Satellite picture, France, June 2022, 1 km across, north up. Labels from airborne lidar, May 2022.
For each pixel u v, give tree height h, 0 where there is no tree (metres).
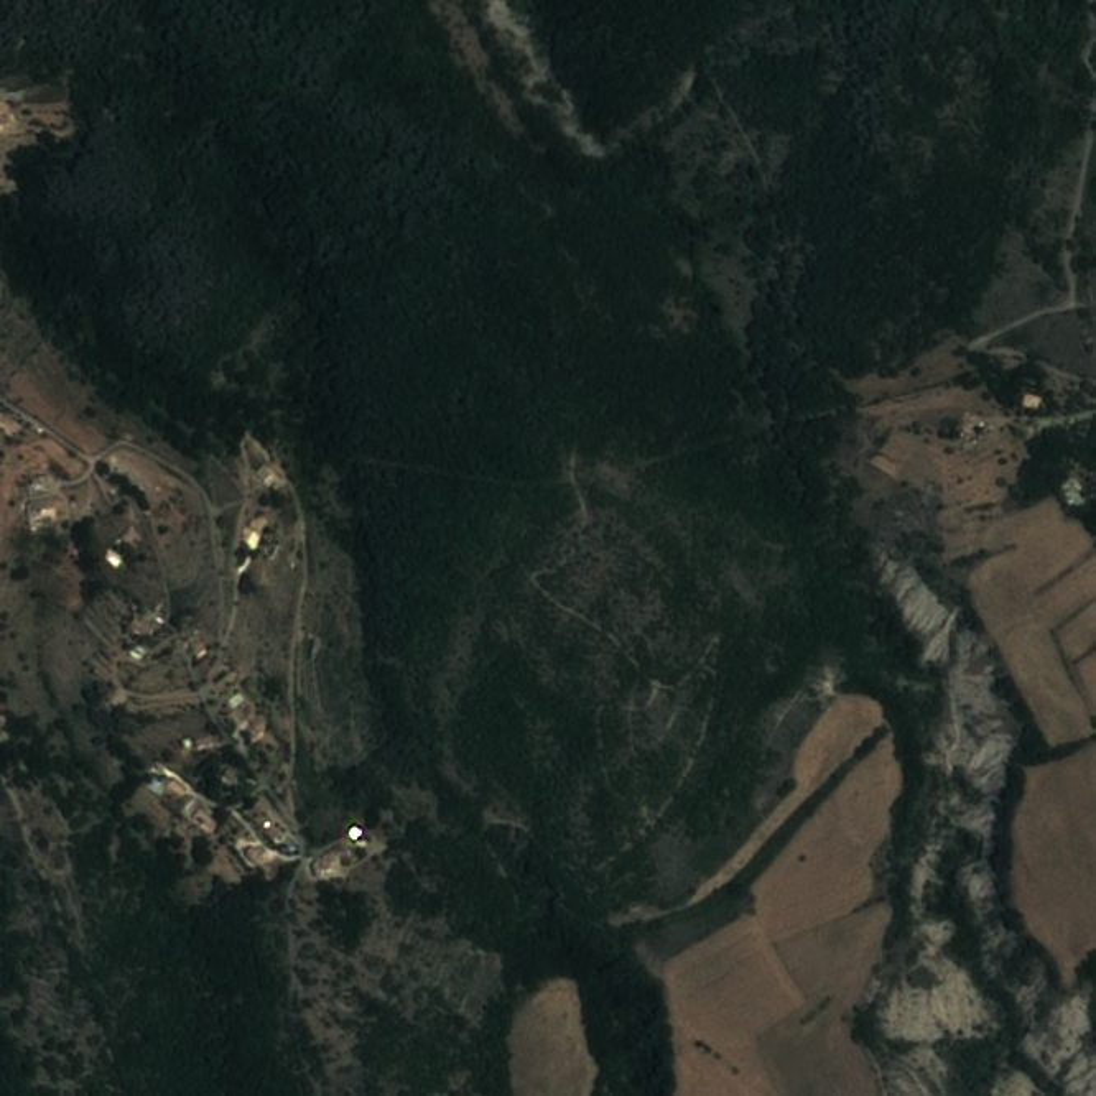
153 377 17
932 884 8
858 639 7
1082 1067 0
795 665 7
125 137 25
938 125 6
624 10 9
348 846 0
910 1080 0
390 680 10
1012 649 0
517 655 7
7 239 9
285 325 9
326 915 8
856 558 9
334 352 18
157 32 17
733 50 6
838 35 7
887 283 13
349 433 8
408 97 12
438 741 7
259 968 12
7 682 8
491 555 7
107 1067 6
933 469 0
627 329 8
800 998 0
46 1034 8
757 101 5
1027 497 8
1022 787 8
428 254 11
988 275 10
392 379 10
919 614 0
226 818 8
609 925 8
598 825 7
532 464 9
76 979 7
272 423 8
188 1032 13
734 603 6
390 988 6
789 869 0
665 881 0
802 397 16
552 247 9
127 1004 7
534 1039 0
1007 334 0
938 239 7
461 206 11
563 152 8
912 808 7
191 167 9
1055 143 9
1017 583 0
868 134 15
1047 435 14
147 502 6
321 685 0
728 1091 0
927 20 18
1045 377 8
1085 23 11
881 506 9
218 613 0
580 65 13
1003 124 12
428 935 6
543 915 6
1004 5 13
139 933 9
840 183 12
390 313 10
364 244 16
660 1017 15
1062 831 0
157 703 0
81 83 7
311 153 13
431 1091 8
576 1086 0
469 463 11
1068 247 6
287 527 0
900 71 7
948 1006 0
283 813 0
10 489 0
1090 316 7
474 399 8
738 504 6
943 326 9
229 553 0
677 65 8
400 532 15
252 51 11
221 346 13
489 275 8
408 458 12
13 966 10
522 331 11
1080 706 0
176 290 19
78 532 12
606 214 9
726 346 10
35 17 20
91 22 17
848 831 0
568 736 9
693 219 11
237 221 11
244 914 7
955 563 6
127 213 21
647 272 9
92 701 9
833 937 0
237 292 11
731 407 9
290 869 7
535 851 9
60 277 21
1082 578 0
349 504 6
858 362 11
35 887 9
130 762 9
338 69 10
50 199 23
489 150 12
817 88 7
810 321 12
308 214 10
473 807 11
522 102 9
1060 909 0
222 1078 16
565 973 10
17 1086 13
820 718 0
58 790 9
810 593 7
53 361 0
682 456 8
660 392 10
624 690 6
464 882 11
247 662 0
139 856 11
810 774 0
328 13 13
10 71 6
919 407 0
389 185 21
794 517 11
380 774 6
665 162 11
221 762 7
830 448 10
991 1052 6
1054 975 8
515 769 7
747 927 0
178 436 7
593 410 10
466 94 13
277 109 14
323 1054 6
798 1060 0
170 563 0
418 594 12
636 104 6
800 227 7
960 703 0
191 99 13
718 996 0
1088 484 8
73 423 0
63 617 0
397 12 7
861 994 0
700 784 6
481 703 9
